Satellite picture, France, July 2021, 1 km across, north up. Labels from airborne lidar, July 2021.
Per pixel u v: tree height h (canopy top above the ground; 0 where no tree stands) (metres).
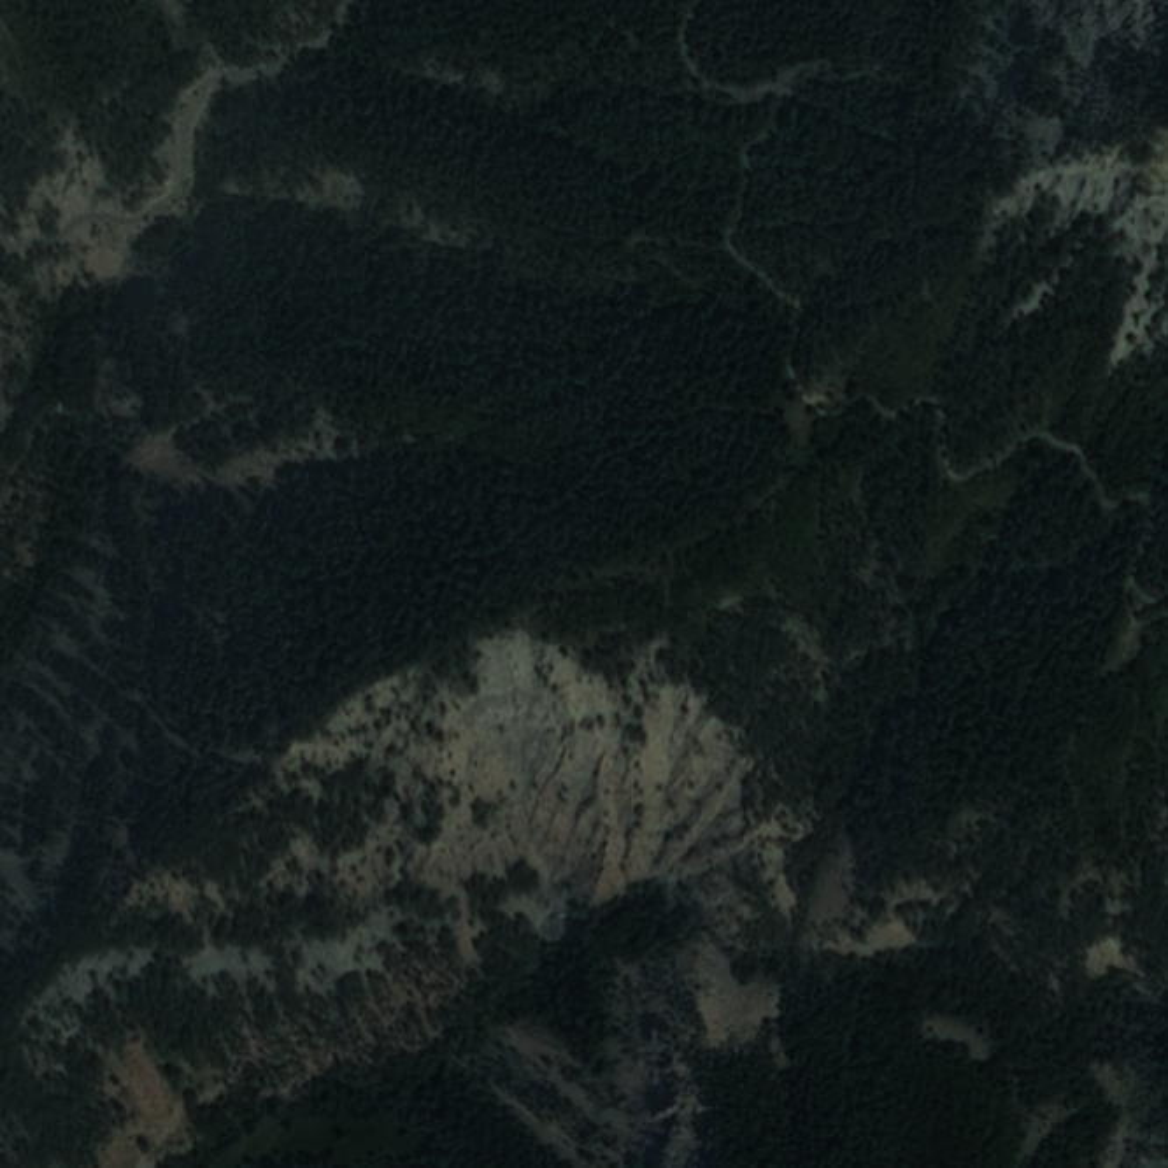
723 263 9
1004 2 6
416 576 19
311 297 23
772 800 18
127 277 0
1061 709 6
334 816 20
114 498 15
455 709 6
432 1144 14
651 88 19
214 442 16
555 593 16
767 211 9
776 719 22
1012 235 7
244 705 16
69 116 13
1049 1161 15
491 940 16
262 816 24
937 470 22
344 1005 17
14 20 6
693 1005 8
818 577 20
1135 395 10
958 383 24
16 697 12
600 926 20
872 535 24
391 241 19
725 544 9
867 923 7
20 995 15
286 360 24
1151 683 9
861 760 25
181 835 18
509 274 25
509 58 9
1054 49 9
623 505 21
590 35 7
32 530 30
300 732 13
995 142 13
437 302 34
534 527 28
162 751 17
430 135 15
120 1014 25
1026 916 18
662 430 8
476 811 8
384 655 6
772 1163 24
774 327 22
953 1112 23
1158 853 22
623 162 13
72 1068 28
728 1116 12
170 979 24
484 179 8
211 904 17
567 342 8
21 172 16
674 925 21
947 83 7
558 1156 8
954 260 15
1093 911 23
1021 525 22
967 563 9
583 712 0
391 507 24
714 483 21
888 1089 15
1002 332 18
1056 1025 18
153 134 23
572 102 8
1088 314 6
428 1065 15
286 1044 24
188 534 22
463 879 9
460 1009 23
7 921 12
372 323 32
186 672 22
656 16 15
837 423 9
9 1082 23
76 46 17
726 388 21
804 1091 16
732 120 21
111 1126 19
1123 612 6
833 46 9
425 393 6
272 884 17
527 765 0
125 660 13
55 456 20
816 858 21
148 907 7
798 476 6
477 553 10
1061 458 12
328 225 13
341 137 8
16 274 15
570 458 11
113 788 17
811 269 18
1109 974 8
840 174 9
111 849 13
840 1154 22
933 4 26
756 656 23
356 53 10
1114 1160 9
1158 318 11
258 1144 0
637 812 10
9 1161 23
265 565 8
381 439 29
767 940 7
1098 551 5
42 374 15
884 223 18
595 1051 11
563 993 16
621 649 20
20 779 10
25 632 22
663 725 0
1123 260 15
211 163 8
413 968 24
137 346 19
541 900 6
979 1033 9
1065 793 9
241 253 22
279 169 13
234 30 14
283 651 20
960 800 9
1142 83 8
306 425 16
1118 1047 12
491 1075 9
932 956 17
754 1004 0
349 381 11
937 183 22
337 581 23
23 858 11
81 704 9
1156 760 10
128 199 11
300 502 16
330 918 22
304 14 12
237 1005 24
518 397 12
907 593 24
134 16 8
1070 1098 9
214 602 26
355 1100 23
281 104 16
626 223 17
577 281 7
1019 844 20
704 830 0
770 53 15
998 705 10
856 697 24
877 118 12
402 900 27
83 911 15
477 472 24
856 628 25
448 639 16
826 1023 13
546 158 22
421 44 21
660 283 22
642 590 12
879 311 14
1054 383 6
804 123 19
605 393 12
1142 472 6
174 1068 14
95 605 13
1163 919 23
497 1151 21
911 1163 17
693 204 20
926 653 13
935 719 22
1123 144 10
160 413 18
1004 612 20
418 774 10
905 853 19
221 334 19
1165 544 13
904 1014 15
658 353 18
